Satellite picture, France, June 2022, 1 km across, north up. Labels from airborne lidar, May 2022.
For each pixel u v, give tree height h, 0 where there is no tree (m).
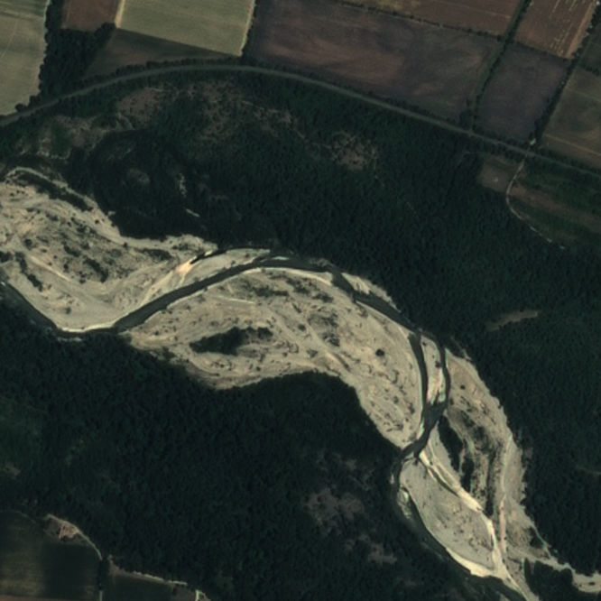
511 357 17
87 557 0
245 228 8
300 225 22
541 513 20
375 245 22
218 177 11
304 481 18
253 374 0
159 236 6
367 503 6
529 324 12
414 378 0
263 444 30
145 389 28
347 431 13
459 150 14
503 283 8
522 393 14
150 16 0
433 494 0
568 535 20
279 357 0
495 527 0
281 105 9
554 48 0
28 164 6
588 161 0
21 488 11
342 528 6
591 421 9
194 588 10
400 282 20
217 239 8
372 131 9
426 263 22
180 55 0
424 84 0
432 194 9
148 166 8
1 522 0
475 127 12
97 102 9
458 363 0
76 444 8
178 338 0
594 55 0
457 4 0
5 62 0
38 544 0
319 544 14
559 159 9
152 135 12
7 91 0
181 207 7
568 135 0
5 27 0
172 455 31
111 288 0
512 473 0
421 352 0
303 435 19
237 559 29
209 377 0
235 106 9
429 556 13
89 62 15
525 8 11
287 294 0
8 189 0
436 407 0
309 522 11
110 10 0
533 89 0
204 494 20
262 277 0
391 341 0
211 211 15
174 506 24
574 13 0
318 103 7
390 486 16
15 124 11
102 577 12
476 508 0
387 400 0
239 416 19
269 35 0
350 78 0
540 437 14
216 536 27
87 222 0
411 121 8
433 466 0
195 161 8
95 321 0
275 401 8
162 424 39
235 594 11
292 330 0
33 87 0
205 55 0
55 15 15
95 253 0
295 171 12
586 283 18
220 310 0
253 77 9
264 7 0
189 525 23
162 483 17
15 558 0
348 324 0
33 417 6
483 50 0
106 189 10
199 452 27
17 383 16
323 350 0
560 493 23
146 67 10
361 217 15
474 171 12
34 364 27
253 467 26
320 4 0
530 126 0
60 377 21
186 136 9
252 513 24
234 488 19
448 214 16
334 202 21
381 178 6
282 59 0
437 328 7
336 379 7
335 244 17
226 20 0
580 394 12
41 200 0
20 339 8
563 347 11
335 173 7
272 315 0
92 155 8
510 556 0
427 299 19
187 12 0
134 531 25
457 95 0
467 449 0
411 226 10
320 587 27
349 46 0
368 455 7
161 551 30
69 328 0
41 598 0
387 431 0
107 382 27
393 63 0
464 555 0
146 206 13
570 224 7
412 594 13
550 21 0
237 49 0
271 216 21
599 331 7
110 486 7
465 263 12
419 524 0
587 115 0
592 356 8
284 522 29
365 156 7
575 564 22
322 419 12
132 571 16
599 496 16
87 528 14
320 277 0
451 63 0
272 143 8
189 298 0
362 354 0
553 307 12
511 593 0
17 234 0
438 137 12
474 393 0
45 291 0
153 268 0
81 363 24
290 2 0
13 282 0
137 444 28
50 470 14
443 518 0
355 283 0
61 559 0
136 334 0
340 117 11
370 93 8
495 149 20
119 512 10
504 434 0
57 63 11
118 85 8
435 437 0
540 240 16
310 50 0
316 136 8
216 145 6
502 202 11
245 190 22
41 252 0
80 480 10
